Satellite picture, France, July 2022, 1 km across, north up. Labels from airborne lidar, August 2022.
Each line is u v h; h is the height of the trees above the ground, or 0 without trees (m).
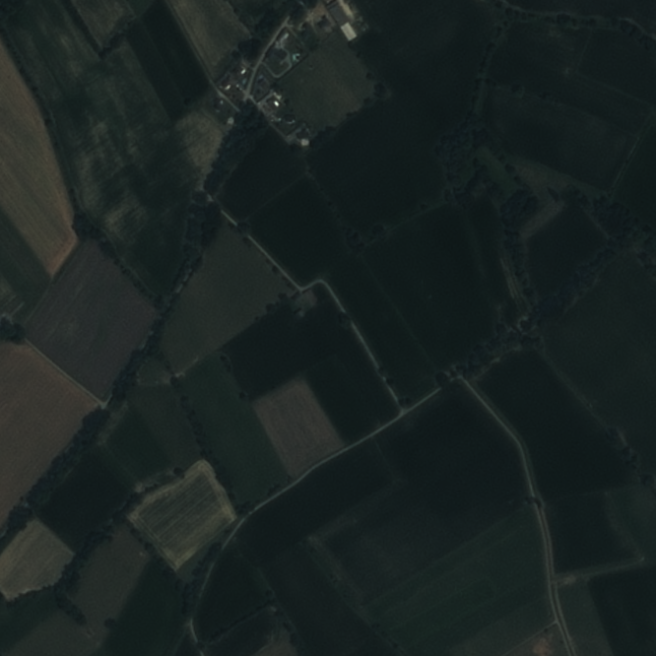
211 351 0
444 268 0
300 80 0
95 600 0
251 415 0
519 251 21
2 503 0
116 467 0
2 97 0
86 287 0
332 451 0
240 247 0
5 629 0
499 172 0
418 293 0
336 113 0
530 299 20
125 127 0
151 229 0
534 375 0
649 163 0
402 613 0
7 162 0
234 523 0
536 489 0
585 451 0
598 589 0
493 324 0
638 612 0
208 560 11
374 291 0
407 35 0
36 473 0
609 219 23
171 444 0
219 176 17
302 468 0
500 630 0
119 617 0
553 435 0
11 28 0
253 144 19
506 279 0
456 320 0
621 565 0
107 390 0
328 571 0
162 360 12
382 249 0
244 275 0
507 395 0
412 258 0
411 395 0
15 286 0
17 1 21
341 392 0
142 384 0
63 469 20
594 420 0
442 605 0
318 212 0
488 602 0
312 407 0
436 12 0
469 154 19
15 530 16
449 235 0
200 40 0
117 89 0
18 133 0
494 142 13
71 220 0
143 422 0
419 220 0
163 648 0
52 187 0
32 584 0
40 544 0
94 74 0
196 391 0
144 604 0
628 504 0
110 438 0
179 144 0
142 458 0
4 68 0
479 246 0
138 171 0
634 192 0
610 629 0
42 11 0
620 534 0
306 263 0
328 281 0
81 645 0
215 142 0
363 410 0
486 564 0
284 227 0
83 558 23
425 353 0
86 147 0
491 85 13
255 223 0
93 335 0
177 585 12
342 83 0
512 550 0
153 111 0
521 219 20
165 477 0
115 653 0
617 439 27
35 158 0
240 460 0
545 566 0
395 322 0
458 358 0
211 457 19
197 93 0
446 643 0
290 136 0
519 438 0
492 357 8
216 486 0
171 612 0
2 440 0
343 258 0
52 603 0
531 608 0
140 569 0
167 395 0
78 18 11
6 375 0
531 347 17
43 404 0
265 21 11
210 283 0
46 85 0
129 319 0
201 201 19
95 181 0
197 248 19
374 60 0
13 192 0
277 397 0
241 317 0
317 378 0
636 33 18
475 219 0
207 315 0
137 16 0
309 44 0
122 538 0
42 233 0
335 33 0
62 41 0
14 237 0
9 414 0
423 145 0
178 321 0
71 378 0
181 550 0
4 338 17
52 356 0
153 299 6
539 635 0
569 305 16
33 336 0
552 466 0
